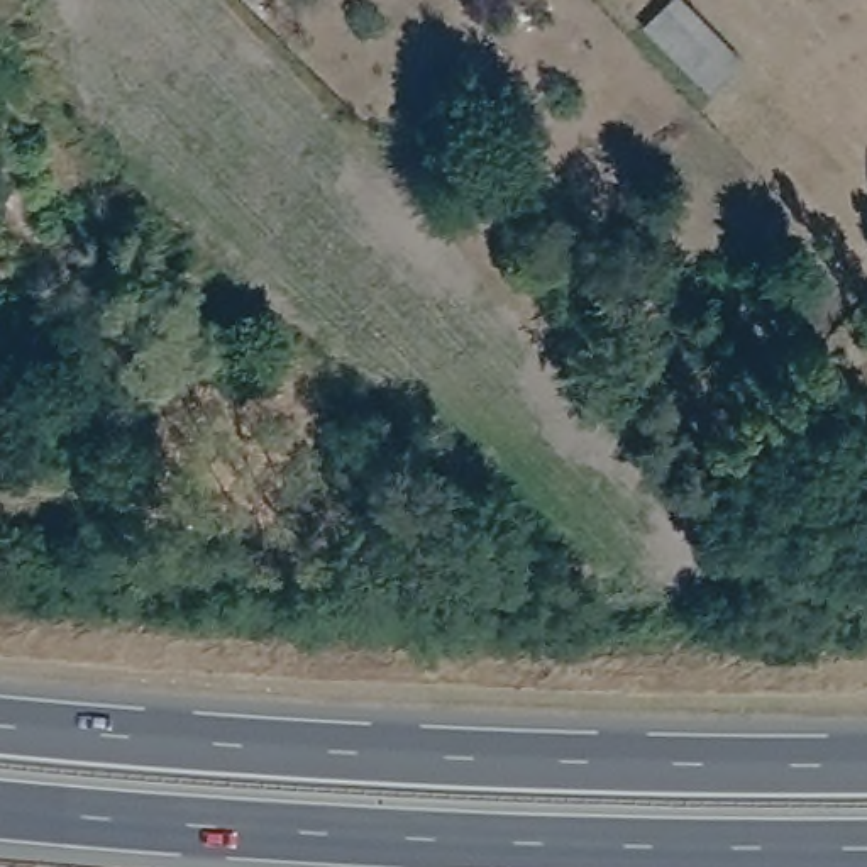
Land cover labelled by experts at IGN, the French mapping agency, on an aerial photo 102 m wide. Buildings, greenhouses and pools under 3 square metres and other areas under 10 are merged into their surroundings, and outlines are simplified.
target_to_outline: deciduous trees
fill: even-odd
[[[467,17],[474,17],[478,24],[501,24],[505,30],[515,24],[511,0],[461,0]]]
[[[373,0],[345,0],[342,14],[356,37],[376,37],[383,30],[383,14]]]
[[[0,244],[10,234],[7,196],[51,179],[51,169],[44,166],[47,146],[41,125],[27,125],[7,112],[7,102],[24,98],[34,78],[27,64],[41,51],[20,51],[20,41],[30,37],[30,20],[44,10],[47,0],[0,0]]]
[[[119,298],[112,298],[108,291],[98,295],[85,284],[61,298],[41,298],[41,312],[34,315],[34,342],[24,342],[14,362],[3,366],[3,379],[14,386],[14,393],[7,403],[0,403],[0,491],[17,494],[30,484],[44,484],[54,471],[68,471],[75,491],[88,491],[91,501],[112,511],[132,511],[135,494],[149,481],[149,450],[159,447],[156,410],[183,396],[196,379],[213,376],[217,389],[230,396],[230,403],[274,396],[291,362],[288,339],[281,332],[284,325],[281,315],[271,308],[254,318],[240,318],[237,325],[203,322],[203,284],[224,278],[224,268],[213,257],[193,251],[190,230],[173,224],[159,207],[146,203],[142,210],[135,210],[135,224],[129,227],[122,251],[112,257],[119,271],[129,271],[132,261],[142,264],[142,278],[135,284],[125,284]],[[105,349],[108,335],[122,345],[132,345],[135,352],[119,379],[108,379],[105,373],[112,359],[112,352]]]
[[[549,532],[549,522],[511,491],[508,478],[494,474],[494,467],[478,454],[478,447],[461,434],[461,427],[427,413],[413,413],[413,437],[393,437],[389,423],[379,417],[362,420],[349,430],[335,427],[329,434],[332,464],[359,471],[349,481],[349,488],[342,488],[339,505],[352,518],[362,518],[366,511],[373,518],[342,545],[339,559],[312,562],[295,576],[295,606],[274,606],[274,589],[281,589],[281,583],[274,569],[251,562],[244,549],[244,532],[207,538],[203,532],[186,532],[183,522],[156,522],[149,515],[135,525],[135,532],[115,538],[115,552],[105,549],[95,525],[81,525],[71,545],[61,549],[44,542],[44,535],[17,528],[17,511],[0,508],[0,613],[20,613],[27,620],[71,620],[78,627],[132,620],[179,637],[193,633],[284,640],[305,654],[339,643],[352,650],[396,647],[413,654],[413,660],[423,667],[437,667],[437,660],[461,657],[552,657],[559,664],[576,664],[586,657],[647,657],[677,643],[704,647],[711,654],[738,654],[772,667],[816,664],[833,657],[867,657],[867,403],[853,396],[840,379],[843,366],[850,366],[847,352],[826,345],[826,359],[820,359],[820,366],[809,373],[789,362],[776,366],[776,373],[762,383],[755,376],[735,379],[732,396],[745,403],[745,413],[742,427],[728,427],[721,434],[721,440],[715,444],[718,450],[711,450],[708,444],[691,444],[677,434],[681,417],[671,393],[660,403],[657,417],[650,417],[640,427],[640,434],[654,437],[654,450],[637,454],[630,461],[640,471],[640,484],[660,494],[671,525],[684,532],[694,552],[694,566],[688,569],[704,579],[738,579],[742,610],[728,599],[715,599],[704,613],[677,620],[667,596],[627,610],[599,603],[593,579],[583,576],[583,555]]]
[[[684,213],[684,186],[671,193],[667,210],[657,200],[637,196],[633,227],[623,230],[623,244],[589,244],[576,237],[569,224],[552,224],[542,210],[545,190],[555,186],[559,163],[545,156],[549,132],[542,129],[532,102],[525,98],[522,78],[508,88],[498,88],[494,98],[488,98],[488,85],[478,81],[478,75],[471,75],[464,78],[454,102],[440,98],[427,125],[430,139],[444,152],[427,152],[423,179],[410,179],[403,186],[410,193],[410,203],[423,213],[427,230],[434,237],[450,240],[467,234],[467,230],[471,230],[471,227],[474,227],[478,220],[484,220],[488,227],[494,227],[494,230],[501,234],[508,261],[498,261],[498,264],[494,264],[515,291],[535,301],[535,312],[545,318],[545,329],[572,329],[586,345],[569,356],[569,376],[559,379],[559,393],[569,400],[569,410],[579,420],[579,427],[606,427],[616,437],[640,410],[647,389],[660,383],[671,356],[684,359],[691,373],[701,373],[704,349],[718,339],[718,332],[725,332],[735,342],[738,352],[776,349],[776,335],[796,332],[813,315],[826,315],[837,308],[840,291],[837,278],[830,274],[830,247],[816,247],[813,240],[803,247],[799,237],[786,230],[786,220],[779,220],[776,227],[755,230],[728,261],[718,247],[701,254],[681,251],[674,237]],[[681,278],[711,284],[704,329],[671,322]]]
[[[14,278],[0,278],[0,329],[7,329],[20,312],[20,298],[37,298],[37,281],[44,274],[71,281],[71,264],[95,264],[95,247],[75,251],[64,237],[64,227],[102,217],[108,200],[129,193],[122,183],[112,179],[81,183],[27,213],[30,230],[20,251],[24,268]]]
[[[572,119],[583,105],[579,81],[559,68],[538,68],[538,85],[549,95],[549,108],[559,119]]]

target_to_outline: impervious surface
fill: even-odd
[[[613,721],[447,715],[220,698],[156,698],[125,691],[81,691],[0,681],[0,867],[867,867],[867,721]]]

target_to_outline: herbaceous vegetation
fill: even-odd
[[[704,613],[715,599],[728,599],[742,610],[738,579],[704,579],[688,569],[677,576],[667,596],[677,620]]]
[[[542,362],[552,362],[559,379],[569,376],[569,356],[586,345],[572,329],[545,329]]]
[[[122,345],[108,335],[105,349],[112,352],[112,359],[105,373],[108,379],[119,379],[135,352],[132,345]]]
[[[0,491],[0,508],[17,511],[17,528],[44,535],[44,542],[61,549],[71,545],[81,525],[95,525],[105,549],[115,552],[115,538],[135,532],[135,525],[149,515],[156,522],[183,522],[186,532],[203,532],[207,538],[244,532],[244,549],[251,562],[274,569],[281,583],[281,589],[274,589],[274,606],[295,606],[295,576],[312,562],[339,559],[342,545],[373,518],[366,511],[362,518],[352,518],[339,505],[342,488],[349,488],[349,481],[359,471],[332,464],[329,434],[335,427],[349,430],[362,420],[379,417],[389,423],[393,437],[413,437],[413,413],[396,410],[386,400],[376,410],[376,403],[366,396],[366,389],[373,386],[369,379],[362,379],[352,366],[332,359],[322,342],[305,335],[301,329],[284,325],[281,332],[288,339],[291,362],[274,396],[230,403],[230,396],[217,389],[213,376],[196,379],[183,396],[156,410],[159,447],[149,450],[149,481],[135,494],[132,511],[112,511],[91,501],[88,491],[75,491],[68,471],[54,471],[44,484],[30,484],[17,494]]]
[[[135,224],[135,210],[142,210],[146,203],[142,193],[129,193],[108,200],[102,217],[64,227],[64,237],[75,251],[95,247],[95,264],[71,264],[71,281],[44,274],[37,281],[37,298],[20,298],[20,312],[7,329],[0,329],[0,403],[7,403],[14,393],[14,386],[3,379],[3,366],[14,362],[24,342],[34,342],[34,315],[41,312],[41,298],[61,298],[85,284],[98,295],[108,291],[112,298],[119,298],[125,284],[135,284],[142,278],[142,264],[132,261],[129,271],[119,271],[112,257],[122,251],[129,227]]]
[[[671,322],[704,329],[711,284],[681,278]]]
[[[230,278],[224,278],[203,284],[203,322],[237,325],[240,318],[254,318],[271,308],[261,288],[234,284]]]
[[[677,434],[691,444],[708,444],[711,450],[718,450],[715,444],[721,440],[721,434],[728,427],[742,427],[745,413],[745,403],[732,396],[735,379],[755,376],[762,383],[776,373],[776,366],[789,362],[809,373],[820,366],[820,359],[826,359],[826,345],[847,352],[850,366],[843,366],[840,379],[853,396],[867,403],[867,315],[853,315],[840,332],[833,332],[826,325],[826,315],[813,315],[796,332],[776,335],[776,349],[738,352],[735,342],[725,332],[718,332],[718,339],[704,349],[701,373],[691,373],[684,359],[671,356],[660,383],[647,389],[640,410],[616,437],[616,457],[630,461],[637,454],[654,450],[654,437],[640,434],[640,427],[650,417],[657,417],[660,403],[671,393],[681,417]]]
[[[467,234],[474,234],[474,237],[484,237],[484,240],[488,240],[488,251],[491,251],[491,261],[494,261],[494,264],[498,264],[498,261],[508,261],[501,234],[494,230],[494,227],[488,227],[484,220],[478,220],[474,227],[471,227],[471,230],[467,230]]]

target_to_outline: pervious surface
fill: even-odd
[[[423,667],[413,660],[413,654],[396,647],[352,650],[339,643],[305,654],[284,640],[193,633],[179,637],[132,620],[78,627],[71,620],[27,620],[20,613],[0,613],[0,681],[81,691],[125,691],[156,698],[220,698],[447,715],[613,721],[867,721],[867,657],[833,657],[816,664],[772,667],[738,654],[711,654],[704,647],[677,643],[647,657],[586,657],[576,664],[559,664],[552,657],[461,657],[437,660],[437,667]]]

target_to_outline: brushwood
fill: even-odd
[[[688,108],[701,108],[708,102],[708,95],[677,68],[677,61],[647,37],[647,24],[637,24],[630,34],[630,44],[640,51],[640,58],[674,88],[674,95],[684,98]]]
[[[142,193],[152,179],[152,166],[129,159],[108,129],[102,129],[98,122],[85,122],[78,115],[75,75],[61,71],[47,51],[41,51],[27,64],[34,78],[24,98],[7,102],[7,112],[27,125],[41,125],[47,146],[54,142],[78,152],[81,183],[112,179],[122,183],[129,193]]]
[[[284,61],[295,78],[312,85],[329,115],[356,129],[369,129],[386,142],[393,122],[356,115],[356,108],[339,91],[332,91],[312,64],[305,64],[291,51],[295,37],[284,27],[274,30],[271,24],[264,24],[244,0],[227,0],[227,7],[244,20],[244,27],[278,61]]]

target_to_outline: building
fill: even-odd
[[[725,44],[718,44],[681,3],[667,3],[647,24],[647,37],[677,61],[677,68],[708,95],[708,102],[732,81],[742,54],[728,54]]]

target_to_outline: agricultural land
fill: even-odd
[[[20,251],[30,230],[27,213],[81,183],[78,152],[54,142],[47,146],[44,166],[51,169],[51,179],[7,196],[10,234],[0,244],[0,278],[14,278],[24,268]]]
[[[545,329],[545,318],[535,312],[535,301],[515,291],[494,264],[494,261],[491,261],[491,251],[488,251],[488,240],[484,240],[484,237],[474,237],[474,234],[467,234],[450,240],[434,237],[427,230],[423,213],[410,203],[410,193],[403,186],[410,179],[423,179],[427,152],[444,152],[430,139],[427,125],[440,98],[454,102],[464,78],[471,75],[478,75],[478,81],[488,85],[488,98],[494,98],[498,88],[508,88],[522,78],[525,98],[532,102],[542,129],[549,132],[545,156],[559,163],[555,186],[545,190],[542,210],[552,224],[569,224],[576,237],[589,244],[623,244],[623,230],[633,227],[637,196],[657,200],[667,210],[671,193],[684,186],[684,213],[674,237],[681,251],[701,254],[718,247],[728,261],[755,230],[776,227],[779,220],[786,220],[786,230],[799,237],[803,247],[813,240],[816,247],[830,247],[830,274],[837,278],[840,291],[837,308],[826,315],[826,325],[833,332],[840,332],[853,315],[867,315],[867,0],[511,0],[515,24],[505,30],[501,24],[478,24],[474,17],[467,17],[461,0],[373,0],[383,14],[383,30],[376,37],[356,37],[342,14],[345,0],[244,0],[264,24],[271,24],[274,30],[284,27],[295,37],[291,51],[305,64],[312,64],[332,91],[339,91],[356,108],[356,115],[393,122],[386,142],[369,129],[356,129],[329,115],[312,85],[295,78],[284,61],[278,61],[244,27],[244,20],[227,7],[227,0],[47,0],[44,10],[30,20],[30,37],[20,41],[20,51],[41,51],[47,51],[61,71],[75,75],[78,115],[85,122],[98,122],[102,129],[108,129],[129,159],[152,166],[152,179],[142,193],[146,203],[159,207],[173,224],[190,230],[193,251],[213,257],[224,268],[224,278],[230,278],[234,284],[261,288],[271,308],[281,315],[284,325],[301,329],[305,335],[322,342],[332,359],[352,366],[362,379],[369,379],[373,386],[366,389],[366,396],[376,403],[376,410],[386,400],[396,410],[413,413],[427,413],[461,427],[461,434],[478,447],[478,454],[494,467],[494,474],[508,478],[511,491],[549,522],[549,532],[583,555],[583,576],[593,579],[599,603],[627,610],[667,596],[677,576],[688,569],[694,566],[694,552],[684,532],[671,525],[660,494],[640,484],[640,471],[630,461],[616,457],[616,437],[606,427],[579,427],[579,420],[569,410],[569,400],[559,393],[559,379],[552,362],[542,362]],[[674,95],[674,88],[640,58],[640,51],[630,44],[630,34],[637,24],[647,24],[667,3],[681,3],[718,44],[725,44],[728,54],[742,54],[732,81],[708,102],[701,108],[688,108],[684,98]],[[549,108],[549,95],[538,85],[538,68],[559,68],[579,81],[583,105],[572,119],[559,119]]]

